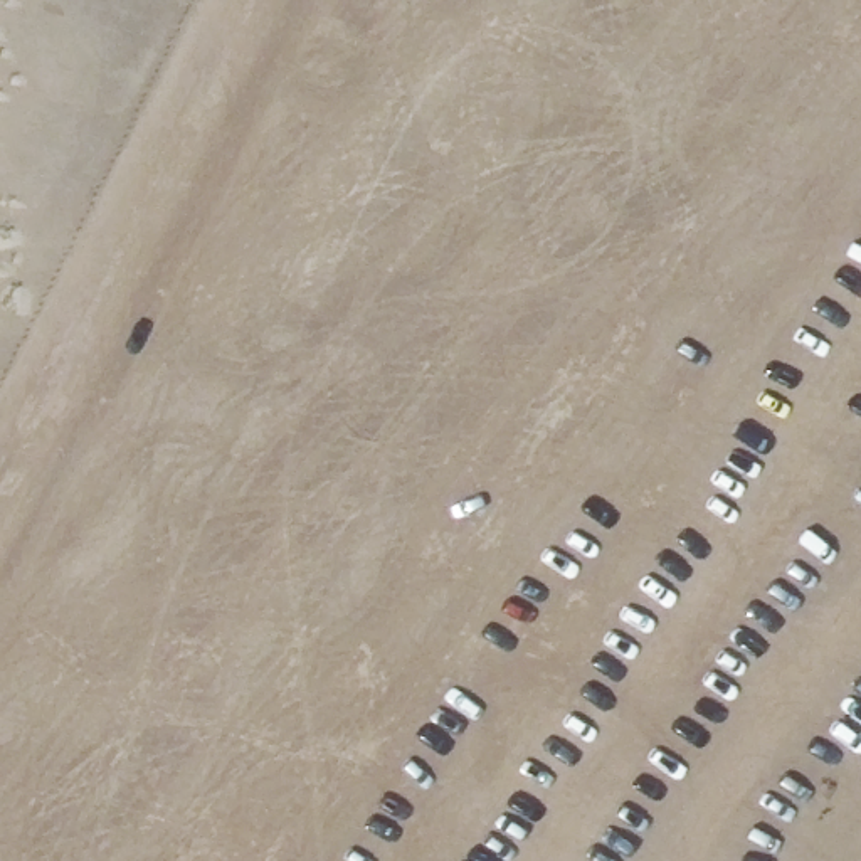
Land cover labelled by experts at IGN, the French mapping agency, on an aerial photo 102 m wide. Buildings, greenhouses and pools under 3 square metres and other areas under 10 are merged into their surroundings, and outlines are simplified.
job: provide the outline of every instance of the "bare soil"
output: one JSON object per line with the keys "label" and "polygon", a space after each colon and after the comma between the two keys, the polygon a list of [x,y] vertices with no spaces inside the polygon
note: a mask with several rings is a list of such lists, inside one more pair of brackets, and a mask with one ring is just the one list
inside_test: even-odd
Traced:
{"label": "bare soil", "polygon": [[0,0],[0,861],[861,861],[861,0]]}

